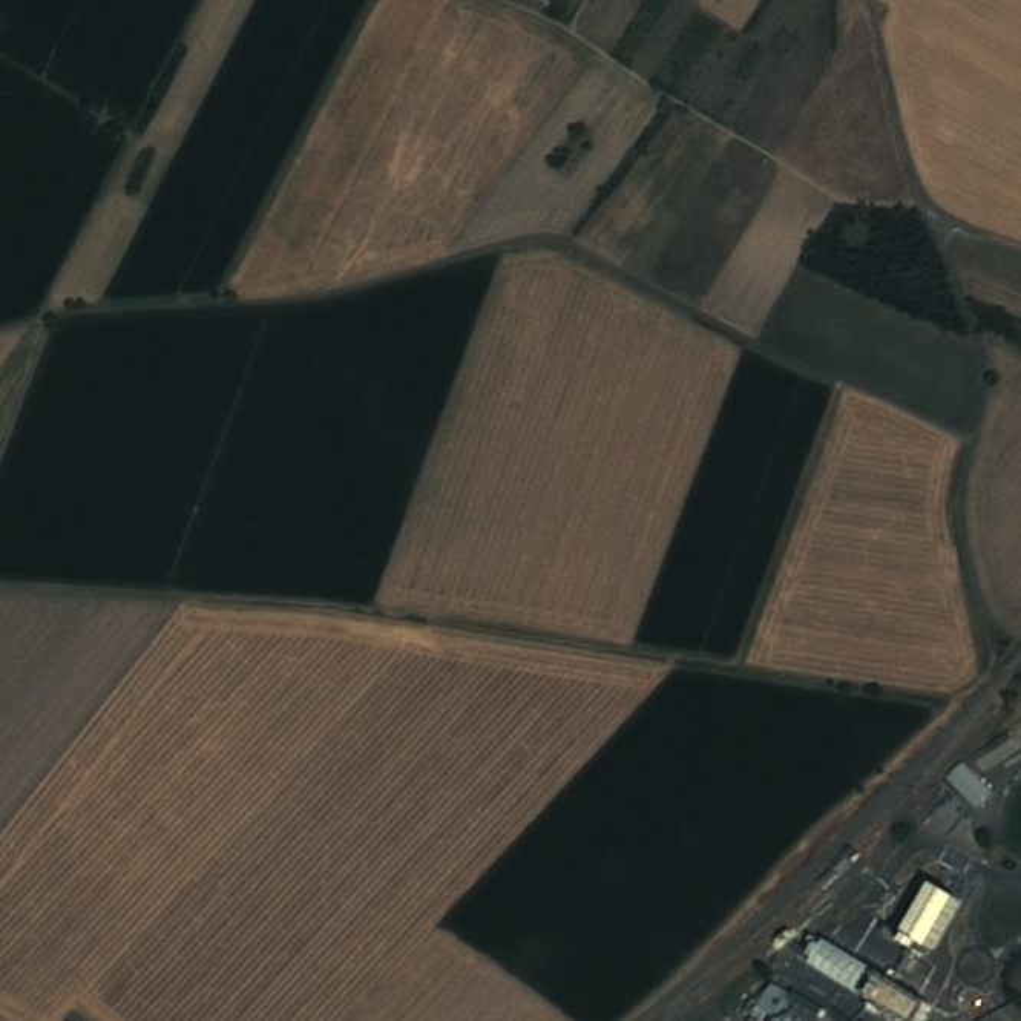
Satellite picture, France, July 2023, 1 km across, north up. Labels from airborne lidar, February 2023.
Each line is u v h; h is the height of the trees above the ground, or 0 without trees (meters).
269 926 0
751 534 0
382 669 0
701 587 0
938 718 0
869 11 0
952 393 0
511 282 0
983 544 0
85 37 0
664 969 0
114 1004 0
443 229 0
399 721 0
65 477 0
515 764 0
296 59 0
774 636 0
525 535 0
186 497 0
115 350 0
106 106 0
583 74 0
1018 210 0
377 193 0
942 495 0
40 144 0
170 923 0
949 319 10
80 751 0
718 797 0
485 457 0
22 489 0
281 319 0
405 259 0
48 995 0
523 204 0
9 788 0
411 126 0
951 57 0
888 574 0
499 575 0
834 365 0
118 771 0
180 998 0
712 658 0
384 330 0
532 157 0
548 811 0
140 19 0
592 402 0
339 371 0
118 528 0
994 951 0
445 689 0
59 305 0
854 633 0
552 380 0
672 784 0
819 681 0
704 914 0
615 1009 0
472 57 0
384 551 0
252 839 0
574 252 0
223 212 0
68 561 0
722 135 0
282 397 0
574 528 0
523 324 0
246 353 0
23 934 0
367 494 0
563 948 0
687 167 0
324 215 0
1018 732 0
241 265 0
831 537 0
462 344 0
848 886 0
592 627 0
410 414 0
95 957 0
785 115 0
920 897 0
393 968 0
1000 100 0
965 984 0
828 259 12
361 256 0
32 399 0
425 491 0
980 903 0
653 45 0
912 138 0
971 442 0
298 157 0
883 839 0
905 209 9
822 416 0
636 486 0
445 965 0
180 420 0
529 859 0
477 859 0
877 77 0
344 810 0
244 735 0
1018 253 0
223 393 0
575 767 0
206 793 0
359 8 0
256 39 0
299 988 0
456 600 0
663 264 0
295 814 0
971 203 0
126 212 0
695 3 0
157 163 0
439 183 0
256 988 0
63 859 0
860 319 0
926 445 0
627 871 0
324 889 0
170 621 0
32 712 0
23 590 0
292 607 0
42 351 0
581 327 0
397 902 0
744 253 0
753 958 0
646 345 0
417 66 0
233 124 0
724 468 0
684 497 0
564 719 0
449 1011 0
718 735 0
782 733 0
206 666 0
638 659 0
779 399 0
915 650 0
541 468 0
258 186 0
